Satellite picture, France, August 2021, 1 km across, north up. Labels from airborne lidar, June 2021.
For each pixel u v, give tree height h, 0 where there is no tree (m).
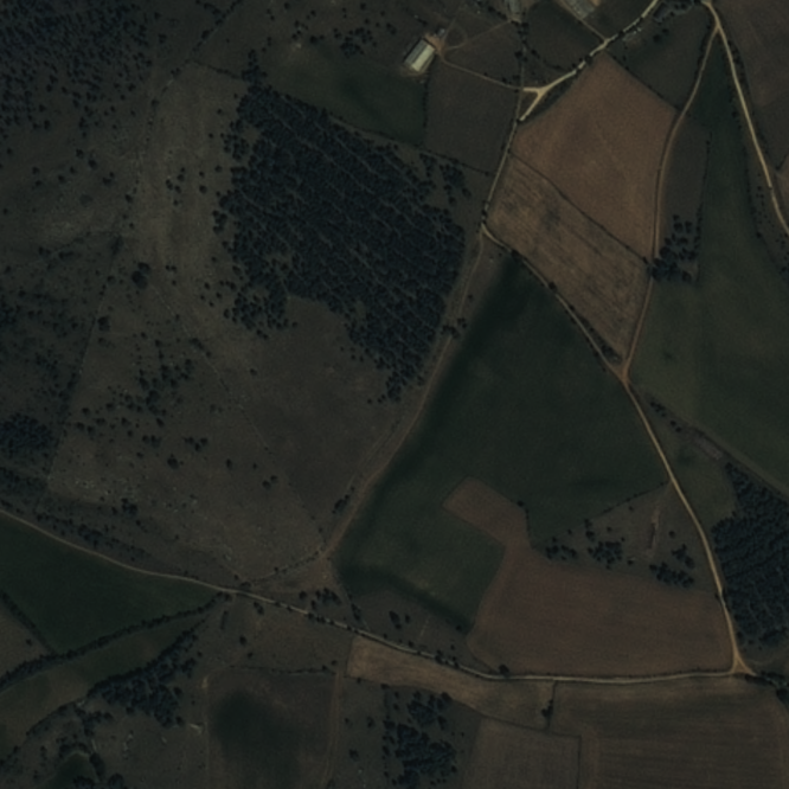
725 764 0
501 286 0
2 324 11
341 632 0
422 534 0
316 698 0
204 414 0
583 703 0
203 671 0
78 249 0
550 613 0
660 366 0
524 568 0
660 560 0
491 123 0
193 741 0
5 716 0
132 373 0
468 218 0
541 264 0
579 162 0
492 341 0
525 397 0
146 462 0
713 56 0
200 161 0
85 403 0
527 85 0
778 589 13
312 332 0
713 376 0
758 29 0
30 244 0
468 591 0
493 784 0
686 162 0
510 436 0
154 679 13
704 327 0
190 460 0
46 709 0
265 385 0
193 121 0
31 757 0
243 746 0
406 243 14
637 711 0
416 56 0
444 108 0
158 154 0
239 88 0
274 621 0
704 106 0
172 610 0
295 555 0
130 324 0
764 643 11
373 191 13
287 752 0
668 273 10
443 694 0
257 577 0
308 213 15
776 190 0
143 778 0
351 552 0
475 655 0
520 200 0
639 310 0
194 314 0
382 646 0
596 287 0
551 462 0
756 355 0
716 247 0
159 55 0
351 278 16
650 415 0
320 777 0
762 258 0
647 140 0
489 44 0
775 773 0
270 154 16
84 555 0
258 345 0
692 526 0
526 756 0
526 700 0
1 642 0
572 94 0
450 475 0
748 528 12
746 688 0
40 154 0
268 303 9
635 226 0
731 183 0
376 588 0
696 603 0
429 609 0
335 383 0
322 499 0
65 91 9
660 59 0
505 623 0
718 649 0
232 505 0
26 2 9
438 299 17
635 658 0
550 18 0
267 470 0
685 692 0
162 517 0
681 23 0
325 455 0
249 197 16
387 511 0
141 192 0
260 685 0
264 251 10
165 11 0
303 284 14
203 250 0
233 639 0
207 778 0
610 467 0
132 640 0
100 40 15
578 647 0
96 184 0
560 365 0
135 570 0
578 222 0
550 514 0
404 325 11
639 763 0
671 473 0
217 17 7
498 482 0
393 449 0
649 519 0
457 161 7
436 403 0
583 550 0
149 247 0
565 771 0
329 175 17
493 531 0
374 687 0
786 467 0
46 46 11
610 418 0
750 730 0
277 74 0
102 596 0
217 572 0
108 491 0
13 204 0
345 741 0
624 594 0
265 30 0
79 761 0
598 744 0
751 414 0
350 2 0
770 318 0
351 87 0
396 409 0
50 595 0
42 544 0
